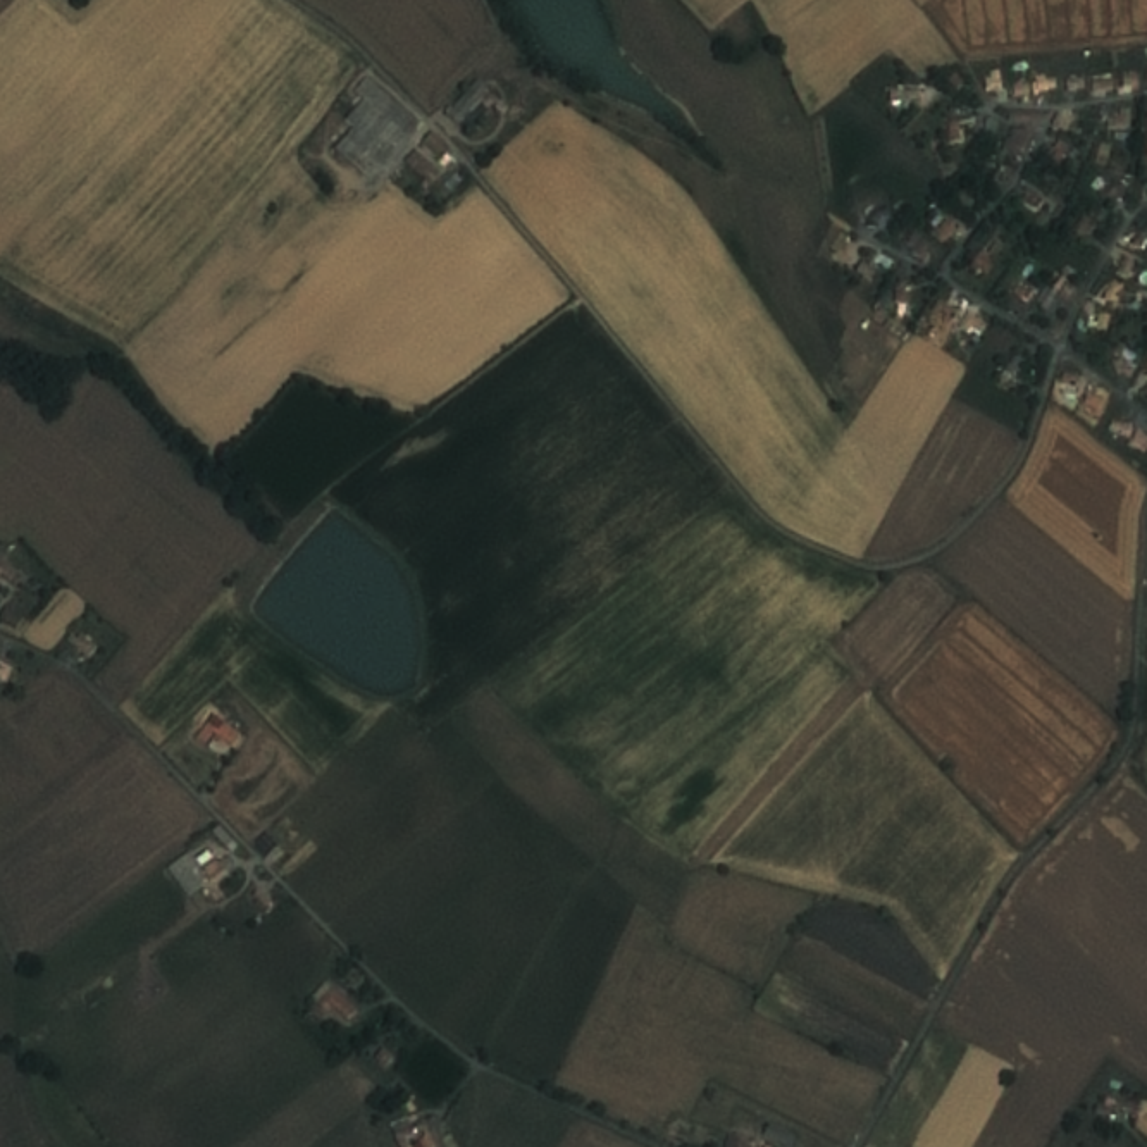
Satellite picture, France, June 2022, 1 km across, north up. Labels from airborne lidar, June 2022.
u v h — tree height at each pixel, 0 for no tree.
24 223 0
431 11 0
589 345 0
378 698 0
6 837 0
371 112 0
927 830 0
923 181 0
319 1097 0
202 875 0
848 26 0
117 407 0
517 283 0
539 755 0
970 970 0
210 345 0
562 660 0
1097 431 0
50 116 0
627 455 0
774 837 0
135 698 0
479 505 0
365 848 0
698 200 0
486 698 0
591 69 0
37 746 0
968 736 0
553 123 0
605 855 0
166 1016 0
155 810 0
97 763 0
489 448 0
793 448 0
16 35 0
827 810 0
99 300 0
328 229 0
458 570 0
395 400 0
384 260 0
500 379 0
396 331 0
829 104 0
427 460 0
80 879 0
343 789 0
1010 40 0
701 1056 0
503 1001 0
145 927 0
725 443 0
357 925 0
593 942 0
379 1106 8
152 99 0
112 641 0
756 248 0
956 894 0
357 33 0
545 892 0
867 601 0
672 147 0
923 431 0
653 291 0
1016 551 0
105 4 0
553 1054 0
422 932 0
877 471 0
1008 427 0
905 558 0
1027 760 0
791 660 0
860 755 0
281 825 0
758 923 0
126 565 0
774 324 0
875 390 0
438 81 0
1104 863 0
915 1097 0
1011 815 0
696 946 0
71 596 0
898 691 0
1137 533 0
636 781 0
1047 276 13
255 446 0
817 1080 0
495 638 0
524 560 0
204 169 0
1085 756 0
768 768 0
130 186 0
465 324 0
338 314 0
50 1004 0
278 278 0
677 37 0
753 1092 0
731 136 0
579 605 0
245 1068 0
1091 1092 0
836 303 0
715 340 0
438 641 0
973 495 0
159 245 0
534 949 0
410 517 0
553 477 0
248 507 20
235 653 0
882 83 0
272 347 0
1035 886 0
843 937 0
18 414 0
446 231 0
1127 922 0
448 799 0
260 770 0
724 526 0
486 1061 16
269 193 0
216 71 0
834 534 0
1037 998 0
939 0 0
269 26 0
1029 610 0
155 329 0
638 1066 0
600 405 0
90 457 0
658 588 0
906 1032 0
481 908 0
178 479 0
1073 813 0
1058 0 0
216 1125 0
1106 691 0
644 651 0
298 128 0
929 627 0
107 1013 0
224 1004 0
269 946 0
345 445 0
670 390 0
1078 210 9
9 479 0
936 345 0
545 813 0
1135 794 0
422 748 0
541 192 0
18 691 17
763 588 0
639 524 0
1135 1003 0
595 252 0
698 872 0
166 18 0
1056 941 0
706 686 0
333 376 0
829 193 0
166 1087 0
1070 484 0
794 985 0
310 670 0
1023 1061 0
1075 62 0
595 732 0
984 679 0
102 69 0
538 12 0
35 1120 0
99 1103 0
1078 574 0
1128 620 0
